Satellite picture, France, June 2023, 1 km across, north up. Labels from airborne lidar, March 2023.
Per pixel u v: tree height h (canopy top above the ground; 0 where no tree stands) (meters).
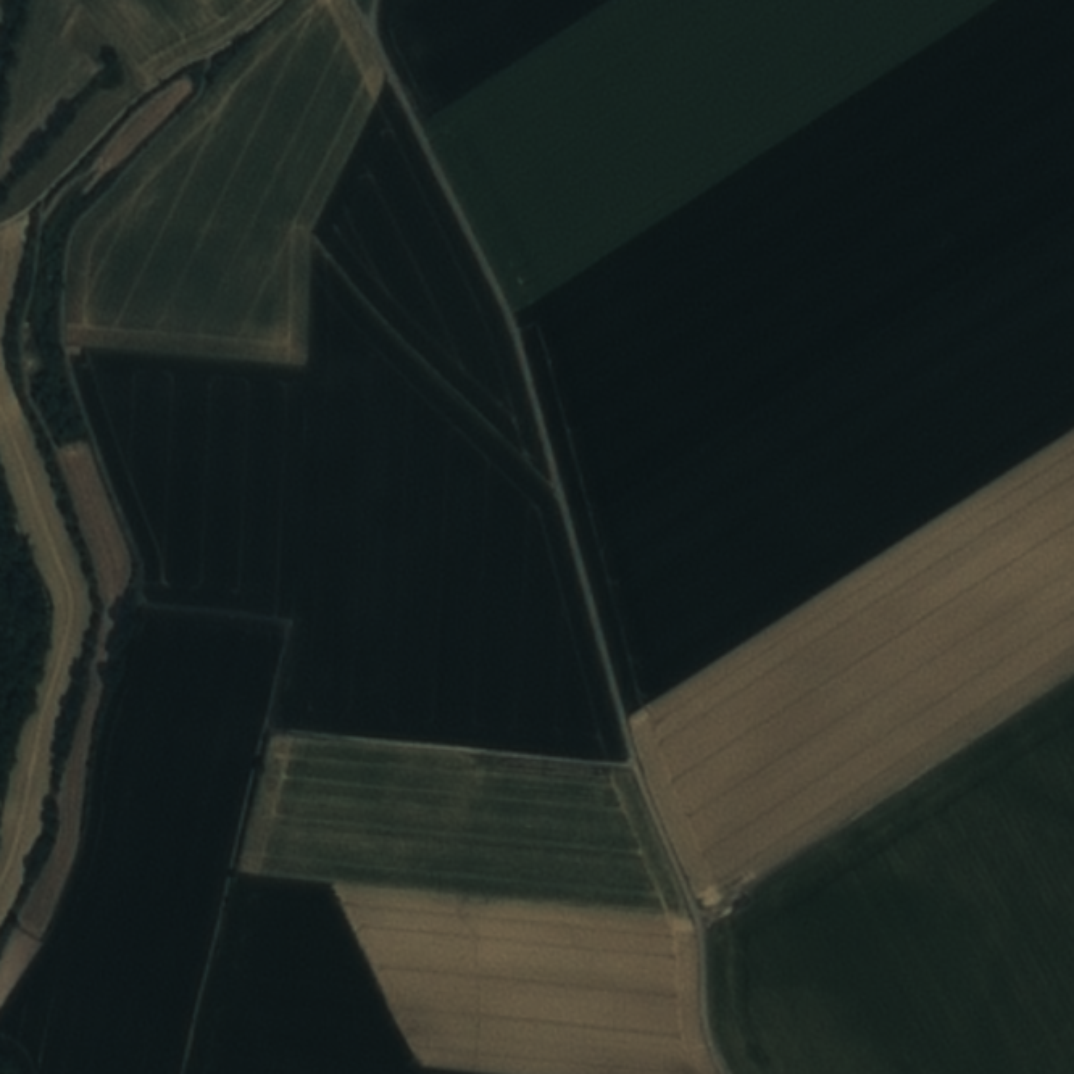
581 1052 0
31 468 0
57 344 7
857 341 0
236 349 0
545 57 0
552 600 0
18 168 13
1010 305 0
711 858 0
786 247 0
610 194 0
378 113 0
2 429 0
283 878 0
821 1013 0
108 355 0
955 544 0
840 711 0
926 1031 0
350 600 0
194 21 0
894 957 0
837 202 0
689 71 0
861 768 0
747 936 0
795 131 0
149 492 0
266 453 0
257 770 9
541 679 0
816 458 0
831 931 0
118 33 0
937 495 0
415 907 0
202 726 0
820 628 0
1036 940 0
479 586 0
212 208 0
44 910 0
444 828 0
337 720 0
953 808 0
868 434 0
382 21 0
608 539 0
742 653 0
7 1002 0
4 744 23
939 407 0
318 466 0
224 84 0
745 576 0
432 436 0
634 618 0
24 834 0
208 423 0
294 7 0
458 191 0
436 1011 0
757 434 0
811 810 0
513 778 0
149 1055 0
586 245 0
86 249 0
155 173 0
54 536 0
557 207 0
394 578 0
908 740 0
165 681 0
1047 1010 0
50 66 0
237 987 0
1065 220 0
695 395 0
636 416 0
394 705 0
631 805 0
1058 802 0
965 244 0
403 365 0
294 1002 0
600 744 0
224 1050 0
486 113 0
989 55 0
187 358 0
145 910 0
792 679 0
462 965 0
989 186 0
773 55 0
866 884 0
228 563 0
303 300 0
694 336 0
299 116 0
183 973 0
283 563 0
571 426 0
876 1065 0
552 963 0
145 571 0
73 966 0
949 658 0
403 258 0
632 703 0
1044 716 0
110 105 0
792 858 0
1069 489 0
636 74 0
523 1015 0
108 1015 0
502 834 0
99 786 0
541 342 0
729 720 0
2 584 26
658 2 0
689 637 0
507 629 0
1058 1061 0
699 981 0
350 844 0
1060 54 0
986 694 0
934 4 0
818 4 0
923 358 0
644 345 0
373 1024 0
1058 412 0
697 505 0
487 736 0
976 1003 0
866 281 0
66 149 0
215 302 0
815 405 0
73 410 10
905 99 0
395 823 0
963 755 0
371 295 0
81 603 0
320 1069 0
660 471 0
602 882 0
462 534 0
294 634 0
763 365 0
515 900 0
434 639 0
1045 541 0
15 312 7
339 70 0
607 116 0
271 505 0
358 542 0
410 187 0
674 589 0
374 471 0
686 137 0
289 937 0
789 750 0
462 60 0
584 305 0
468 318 0
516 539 0
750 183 0
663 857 0
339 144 0
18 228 0
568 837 0
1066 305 0
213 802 0
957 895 0
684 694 0
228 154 0
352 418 0
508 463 0
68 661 0
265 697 0
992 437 0
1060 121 0
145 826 0
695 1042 0
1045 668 0
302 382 0
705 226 0
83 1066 0
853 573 0
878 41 0
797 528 0
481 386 0
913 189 0
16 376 13
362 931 0
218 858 0
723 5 0
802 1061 0
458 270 0
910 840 0
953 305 0
